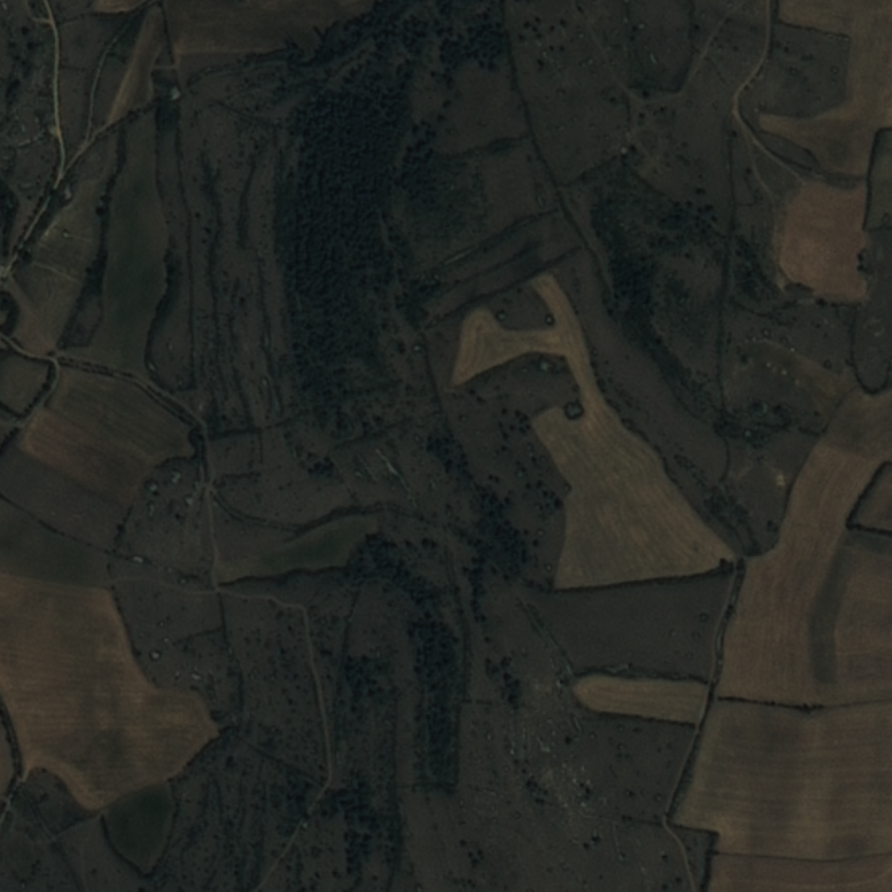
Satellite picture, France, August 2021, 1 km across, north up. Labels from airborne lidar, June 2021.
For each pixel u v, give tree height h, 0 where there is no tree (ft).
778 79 0
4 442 22
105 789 0
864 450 0
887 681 0
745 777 0
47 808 0
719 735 0
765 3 0
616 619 0
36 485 0
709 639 0
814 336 0
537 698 0
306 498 0
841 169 0
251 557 0
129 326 0
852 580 0
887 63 0
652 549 0
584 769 0
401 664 0
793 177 0
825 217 0
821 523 0
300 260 31
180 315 0
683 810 0
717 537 0
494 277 0
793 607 0
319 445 0
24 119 0
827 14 0
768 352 0
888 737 0
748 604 0
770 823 0
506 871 0
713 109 0
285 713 0
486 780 0
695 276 0
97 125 0
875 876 0
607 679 0
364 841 27
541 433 0
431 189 30
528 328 0
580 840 0
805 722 0
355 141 40
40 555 0
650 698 0
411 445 0
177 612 0
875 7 0
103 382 0
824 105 0
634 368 0
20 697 0
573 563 0
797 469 0
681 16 0
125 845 0
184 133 0
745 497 0
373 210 31
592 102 0
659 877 0
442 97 0
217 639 0
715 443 0
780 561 0
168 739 0
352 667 37
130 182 0
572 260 0
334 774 0
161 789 0
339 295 29
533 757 0
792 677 0
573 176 0
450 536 0
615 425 0
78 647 0
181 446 0
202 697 0
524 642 0
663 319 0
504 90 0
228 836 0
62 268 0
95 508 0
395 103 35
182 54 0
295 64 17
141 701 0
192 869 0
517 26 0
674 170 0
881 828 0
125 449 0
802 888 0
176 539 0
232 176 0
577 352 0
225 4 0
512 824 0
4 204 25
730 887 0
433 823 0
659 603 0
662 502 0
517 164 0
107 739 0
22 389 0
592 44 0
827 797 0
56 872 0
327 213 29
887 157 0
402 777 0
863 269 21
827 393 0
